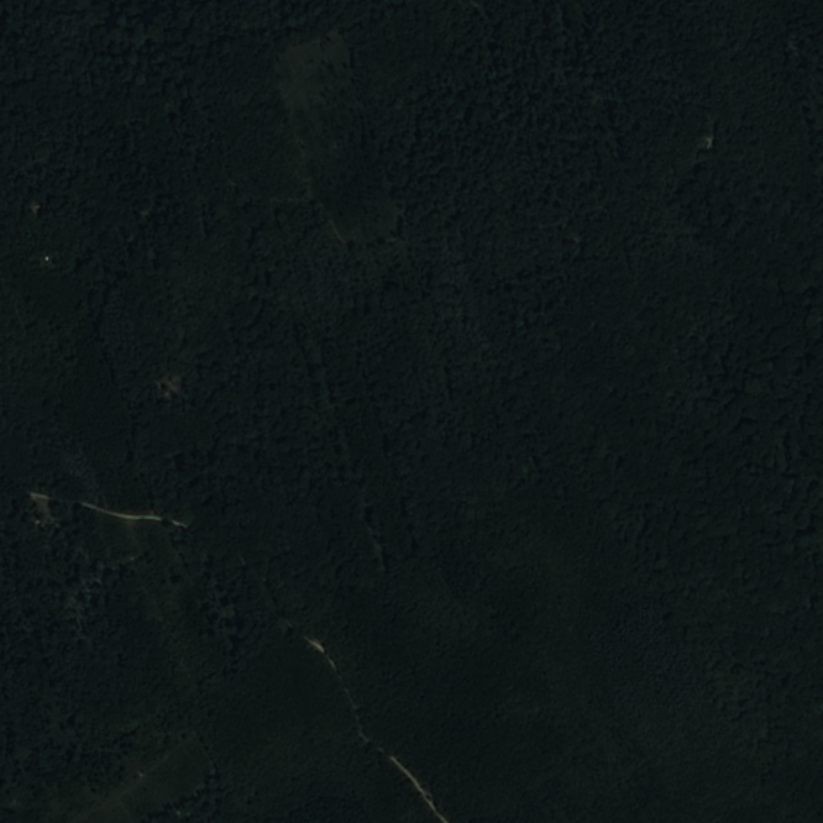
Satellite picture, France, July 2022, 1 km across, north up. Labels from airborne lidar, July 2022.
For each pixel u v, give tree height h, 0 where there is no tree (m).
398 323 19
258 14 25
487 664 15
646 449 19
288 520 19
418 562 14
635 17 24
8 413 19
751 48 15
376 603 16
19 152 19
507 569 8
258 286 24
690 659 13
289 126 17
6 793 10
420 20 22
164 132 20
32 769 10
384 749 14
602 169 21
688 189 21
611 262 16
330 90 14
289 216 9
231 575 22
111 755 9
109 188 27
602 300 19
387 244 18
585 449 18
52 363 12
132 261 26
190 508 23
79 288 11
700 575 19
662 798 13
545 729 17
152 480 13
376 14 22
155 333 17
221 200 20
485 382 24
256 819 15
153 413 22
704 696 11
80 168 18
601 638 14
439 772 15
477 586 6
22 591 22
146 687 19
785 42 20
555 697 12
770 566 21
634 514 23
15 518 23
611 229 13
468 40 25
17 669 24
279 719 15
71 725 15
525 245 16
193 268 14
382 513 12
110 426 12
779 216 20
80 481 25
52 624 7
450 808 13
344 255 7
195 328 25
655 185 18
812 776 26
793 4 13
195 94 19
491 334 12
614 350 21
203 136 20
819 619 21
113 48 31
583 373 22
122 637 21
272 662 16
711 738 12
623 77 28
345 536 24
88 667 21
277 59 13
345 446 23
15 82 12
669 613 10
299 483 22
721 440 22
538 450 19
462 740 18
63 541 6
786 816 11
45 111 25
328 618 15
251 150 18
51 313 7
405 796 12
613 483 23
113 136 14
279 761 11
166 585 16
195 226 15
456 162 21
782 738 19
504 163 23
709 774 12
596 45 31
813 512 16
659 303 21
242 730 18
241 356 23
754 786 11
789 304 21
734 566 23
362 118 14
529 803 12
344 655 10
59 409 21
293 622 13
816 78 21
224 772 15
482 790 12
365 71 18
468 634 10
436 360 21
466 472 22
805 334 20
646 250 21
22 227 17
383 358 17
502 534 12
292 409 17
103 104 20
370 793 14
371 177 21
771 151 14
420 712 17
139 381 21
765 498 19
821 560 20
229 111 20
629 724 10
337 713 13
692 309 18
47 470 20
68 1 25
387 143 22
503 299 26
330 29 17
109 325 28
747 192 19
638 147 23
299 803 12
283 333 23
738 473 23
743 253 23
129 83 20
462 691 17
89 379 7
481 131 18
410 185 13
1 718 22
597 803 13
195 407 22
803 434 22
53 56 18
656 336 25
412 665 19
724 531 23
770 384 12
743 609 23
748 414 26
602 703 13
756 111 15
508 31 28
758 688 18
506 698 12
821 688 17
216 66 25
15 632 13
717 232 20
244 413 22
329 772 13
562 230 16
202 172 22
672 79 18
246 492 26
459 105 24
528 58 21
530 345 23
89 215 19
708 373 21
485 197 20
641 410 18
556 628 13
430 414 22
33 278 9
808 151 15
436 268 21
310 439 21
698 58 21
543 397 22
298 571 18
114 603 22
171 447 23
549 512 13
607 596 14
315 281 13
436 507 21
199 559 19
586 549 12
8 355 18
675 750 11
